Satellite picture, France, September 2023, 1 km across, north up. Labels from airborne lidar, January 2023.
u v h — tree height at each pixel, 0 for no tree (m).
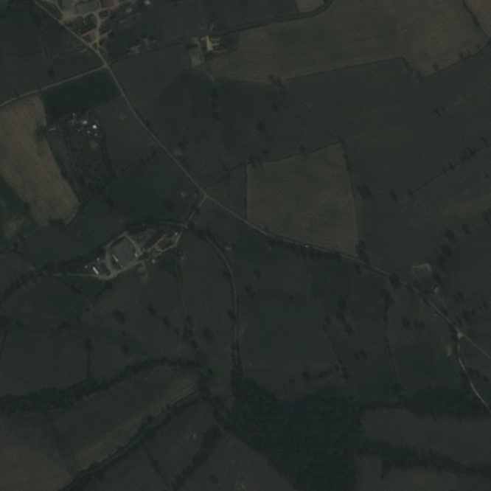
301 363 0
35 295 0
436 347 0
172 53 0
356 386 0
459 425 0
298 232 0
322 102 0
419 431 0
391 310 0
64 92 0
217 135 0
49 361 0
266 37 0
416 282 0
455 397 18
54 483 0
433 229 0
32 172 0
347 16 0
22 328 12
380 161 0
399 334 0
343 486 12
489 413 16
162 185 0
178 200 0
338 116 0
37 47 0
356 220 0
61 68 0
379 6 0
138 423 0
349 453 21
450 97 0
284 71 0
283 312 0
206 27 0
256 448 15
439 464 10
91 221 0
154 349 0
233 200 0
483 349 0
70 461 0
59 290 0
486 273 0
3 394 0
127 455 8
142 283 0
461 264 0
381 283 0
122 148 0
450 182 0
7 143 0
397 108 0
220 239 0
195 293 0
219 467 0
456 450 0
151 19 0
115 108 0
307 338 0
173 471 0
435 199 0
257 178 0
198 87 0
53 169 0
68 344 0
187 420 0
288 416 17
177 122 0
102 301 0
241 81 0
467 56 15
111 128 0
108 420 0
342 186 0
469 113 0
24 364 0
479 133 0
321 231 0
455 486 0
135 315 0
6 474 0
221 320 0
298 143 0
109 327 0
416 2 0
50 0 0
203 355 0
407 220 0
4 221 0
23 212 0
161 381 0
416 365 0
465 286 0
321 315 0
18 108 0
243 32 0
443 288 0
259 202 0
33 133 0
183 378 0
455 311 0
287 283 0
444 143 0
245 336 0
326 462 13
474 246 0
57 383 0
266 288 0
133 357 0
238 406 10
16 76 0
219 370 0
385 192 0
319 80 0
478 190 0
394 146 0
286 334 0
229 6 0
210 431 0
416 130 0
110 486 0
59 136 0
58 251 0
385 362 0
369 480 0
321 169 0
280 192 0
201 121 0
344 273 0
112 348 0
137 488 0
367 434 0
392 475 0
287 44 0
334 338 0
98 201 0
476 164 0
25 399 11
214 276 0
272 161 0
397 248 0
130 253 0
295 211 0
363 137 0
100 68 0
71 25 7
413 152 0
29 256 0
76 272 0
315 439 23
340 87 0
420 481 0
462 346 0
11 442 0
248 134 0
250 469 0
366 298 0
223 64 0
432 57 0
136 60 0
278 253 0
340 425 23
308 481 12
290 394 0
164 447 0
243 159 0
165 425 8
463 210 0
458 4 0
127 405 0
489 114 0
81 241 0
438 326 0
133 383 0
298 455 23
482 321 0
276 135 0
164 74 0
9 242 0
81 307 0
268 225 0
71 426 0
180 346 0
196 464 15
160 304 0
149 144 0
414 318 0
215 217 0
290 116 0
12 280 0
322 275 0
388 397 0
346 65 0
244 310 0
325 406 14
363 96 0
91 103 0
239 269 0
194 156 0
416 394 0
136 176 0
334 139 0
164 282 0
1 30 0
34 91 0
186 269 0
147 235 0
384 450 22
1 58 0
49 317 0
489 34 0
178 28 0
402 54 0
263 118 0
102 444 0
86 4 0
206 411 0
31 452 0
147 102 0
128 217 0
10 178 0
